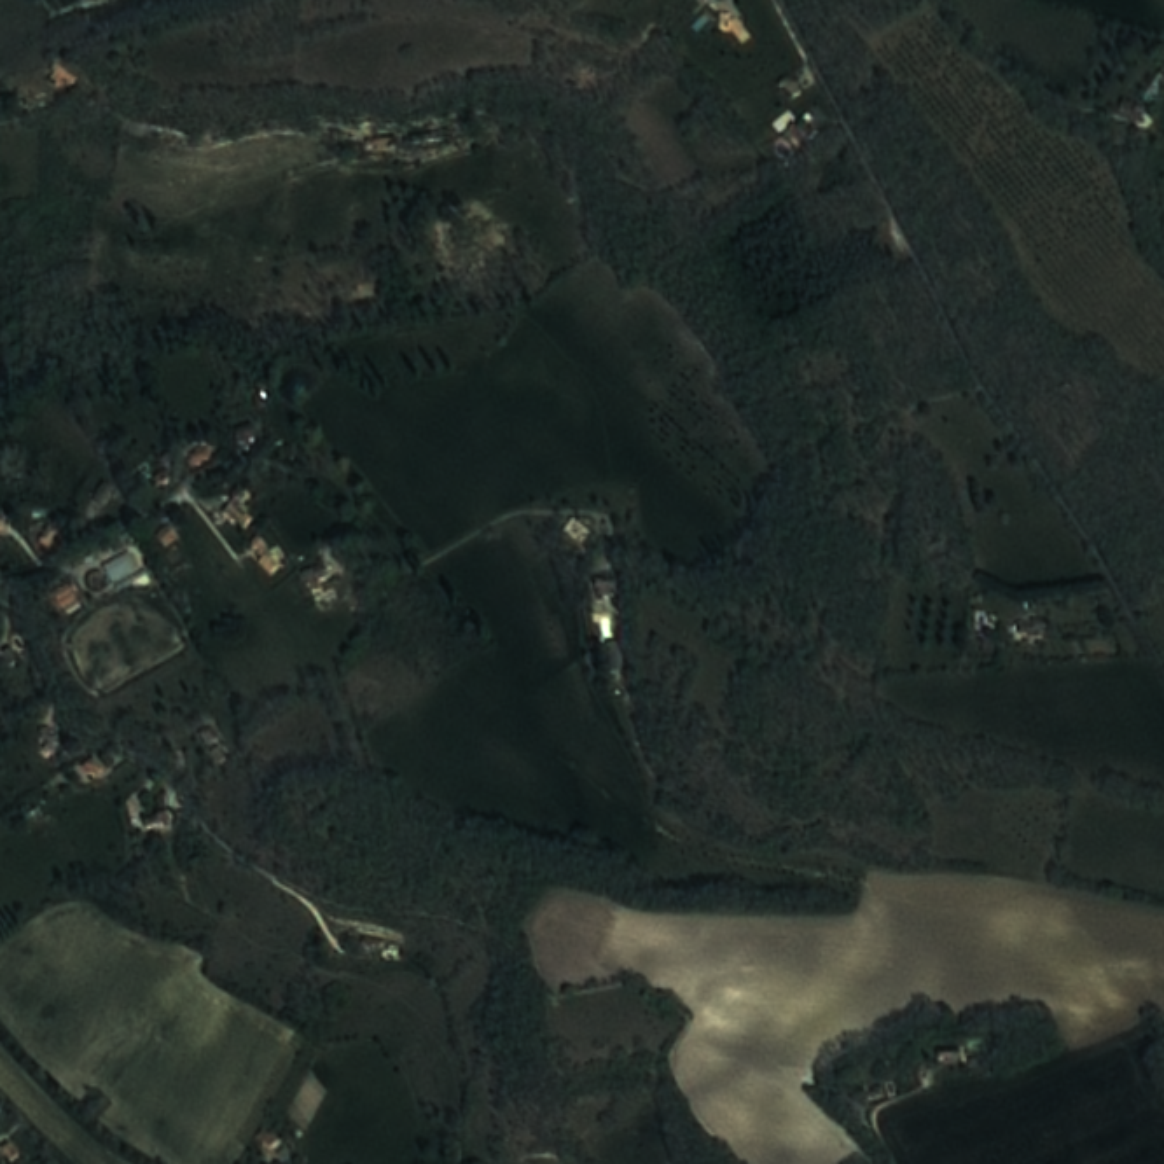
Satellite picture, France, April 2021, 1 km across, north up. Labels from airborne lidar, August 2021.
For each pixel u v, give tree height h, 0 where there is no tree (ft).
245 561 0
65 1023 0
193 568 0
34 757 0
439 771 0
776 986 0
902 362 38
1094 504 50
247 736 49
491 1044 33
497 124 85
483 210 0
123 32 39
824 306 32
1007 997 0
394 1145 0
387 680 0
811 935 0
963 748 42
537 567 0
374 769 21
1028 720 0
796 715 38
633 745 30
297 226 0
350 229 0
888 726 41
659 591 38
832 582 48
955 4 58
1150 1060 52
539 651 0
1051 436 43
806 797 30
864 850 34
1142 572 63
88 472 0
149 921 18
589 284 0
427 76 0
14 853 0
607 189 49
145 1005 0
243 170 0
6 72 0
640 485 0
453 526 0
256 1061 0
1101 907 0
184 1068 0
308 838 27
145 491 50
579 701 0
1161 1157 0
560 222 0
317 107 39
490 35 0
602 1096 54
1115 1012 0
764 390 32
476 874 36
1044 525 0
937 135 57
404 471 0
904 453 31
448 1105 0
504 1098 26
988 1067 41
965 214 44
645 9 0
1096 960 0
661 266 36
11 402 109
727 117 51
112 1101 0
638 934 0
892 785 39
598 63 32
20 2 0
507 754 0
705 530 0
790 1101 0
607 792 0
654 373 0
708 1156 44
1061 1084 0
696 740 18
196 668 0
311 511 0
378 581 71
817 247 43
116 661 0
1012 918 0
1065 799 33
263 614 0
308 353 70
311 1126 0
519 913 29
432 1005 0
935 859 19
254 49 43
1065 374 44
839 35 54
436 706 0
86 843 0
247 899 0
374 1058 0
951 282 45
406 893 39
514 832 63
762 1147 0
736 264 26
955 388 37
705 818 29
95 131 21
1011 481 0
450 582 0
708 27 0
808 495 39
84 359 45
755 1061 0
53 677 53
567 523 47
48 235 23
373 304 32
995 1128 0
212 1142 0
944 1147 0
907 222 49
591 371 0
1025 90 53
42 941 0
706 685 0
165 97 26
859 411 33
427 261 101
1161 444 56
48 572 36
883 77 52
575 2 38
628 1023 0
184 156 0
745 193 37
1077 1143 0
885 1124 0
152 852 46
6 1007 0
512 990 43
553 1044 23
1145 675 0
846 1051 55
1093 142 49
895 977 0
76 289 57
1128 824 0
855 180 41
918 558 54
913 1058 66
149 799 22
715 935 0
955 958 0
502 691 0
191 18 37
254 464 53
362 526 45
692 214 24
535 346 0
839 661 34
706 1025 0
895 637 0
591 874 57
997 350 37
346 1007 44
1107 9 0
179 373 0
